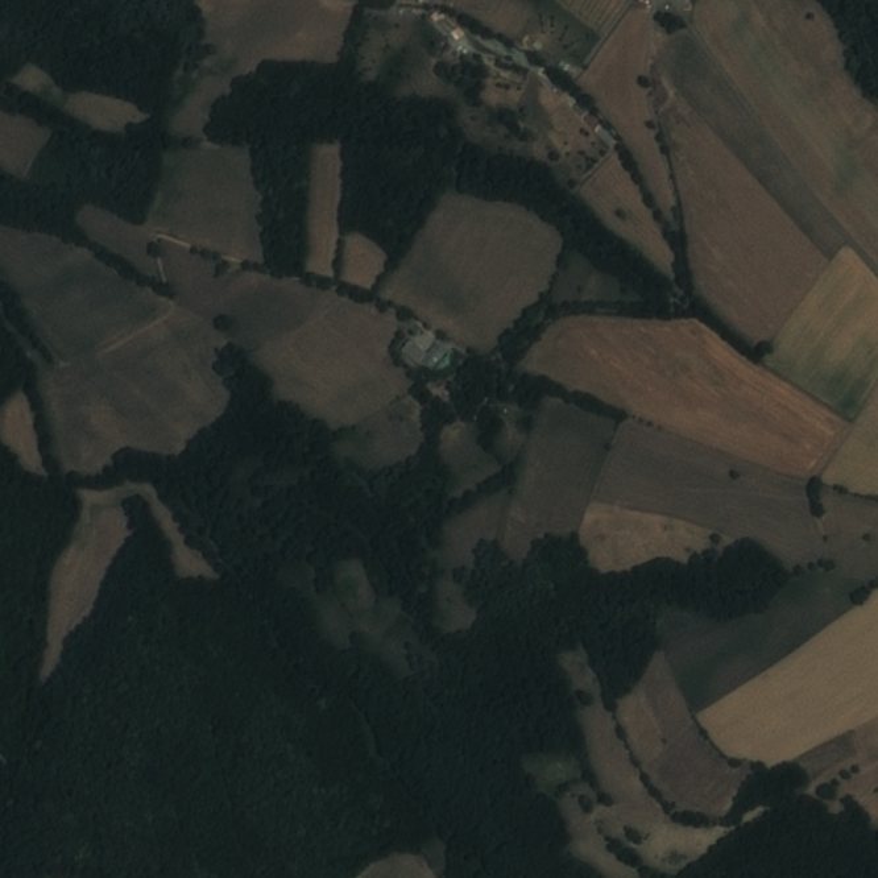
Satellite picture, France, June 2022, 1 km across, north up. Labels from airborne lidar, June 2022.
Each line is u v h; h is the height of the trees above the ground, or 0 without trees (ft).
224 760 39
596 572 32
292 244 38
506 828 69
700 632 0
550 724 68
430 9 37
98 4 62
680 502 0
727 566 53
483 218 0
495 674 80
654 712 0
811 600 0
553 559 25
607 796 40
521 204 35
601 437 0
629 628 46
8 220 41
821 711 0
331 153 0
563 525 0
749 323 0
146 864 38
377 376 0
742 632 0
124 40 51
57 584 0
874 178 0
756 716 0
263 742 59
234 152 0
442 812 49
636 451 0
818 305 0
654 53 0
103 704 47
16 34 66
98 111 0
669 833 0
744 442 0
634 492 0
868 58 43
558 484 0
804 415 0
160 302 0
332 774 56
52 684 56
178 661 49
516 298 0
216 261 30
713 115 0
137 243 0
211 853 35
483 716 67
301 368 0
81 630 56
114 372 0
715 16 0
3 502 25
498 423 28
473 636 45
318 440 34
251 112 62
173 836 38
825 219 0
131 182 54
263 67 46
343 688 57
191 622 54
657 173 0
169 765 37
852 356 0
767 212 0
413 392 24
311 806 59
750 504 0
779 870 39
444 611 0
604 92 0
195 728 57
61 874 51
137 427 0
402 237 51
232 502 38
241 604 63
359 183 58
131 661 43
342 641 0
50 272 0
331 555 44
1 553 21
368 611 0
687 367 0
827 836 49
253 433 82
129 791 53
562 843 57
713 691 0
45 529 22
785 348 0
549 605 53
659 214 33
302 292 0
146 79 43
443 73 38
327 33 0
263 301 0
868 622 0
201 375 0
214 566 27
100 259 50
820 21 0
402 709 47
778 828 56
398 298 0
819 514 55
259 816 55
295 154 54
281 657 101
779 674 0
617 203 0
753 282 0
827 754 0
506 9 0
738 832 46
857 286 0
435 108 50
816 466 0
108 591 65
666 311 48
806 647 0
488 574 50
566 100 0
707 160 0
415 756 73
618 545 0
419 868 0
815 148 0
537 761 0
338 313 0
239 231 0
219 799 26
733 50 0
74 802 68
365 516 33
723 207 0
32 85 0
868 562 0
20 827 52
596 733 0
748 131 0
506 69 27
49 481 45
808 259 0
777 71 0
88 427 0
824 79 0
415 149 72
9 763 32
